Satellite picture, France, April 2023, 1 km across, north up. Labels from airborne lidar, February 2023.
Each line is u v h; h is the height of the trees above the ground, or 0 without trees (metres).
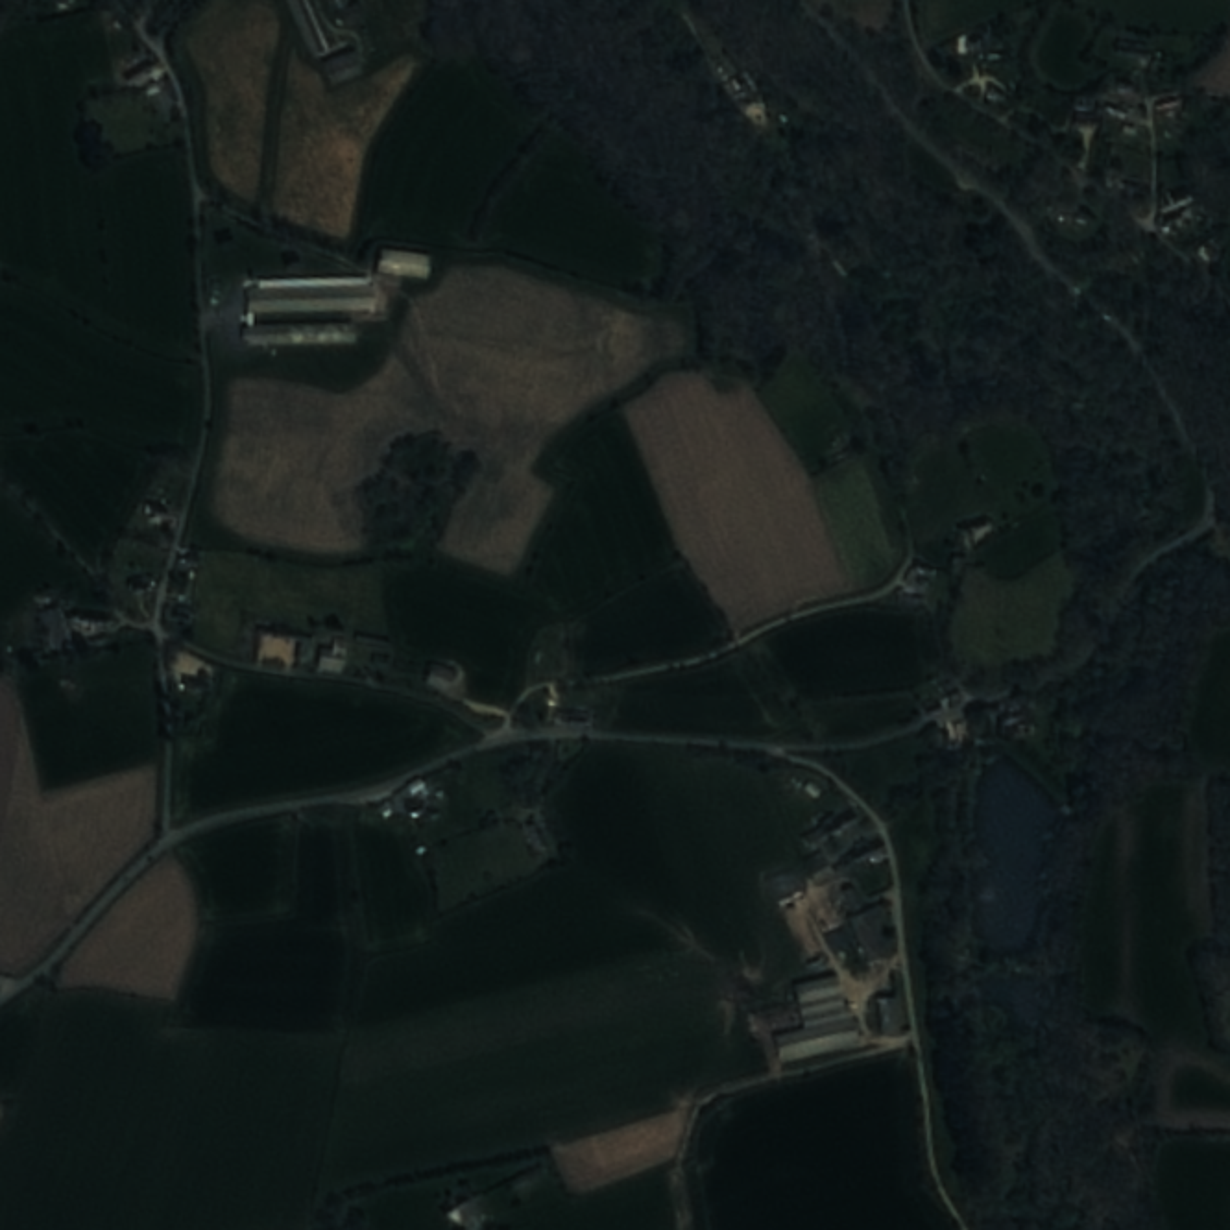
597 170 14
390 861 0
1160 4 0
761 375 9
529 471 0
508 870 0
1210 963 15
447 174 0
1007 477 0
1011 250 21
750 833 0
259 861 0
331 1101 0
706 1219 0
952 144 12
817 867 0
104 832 0
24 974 0
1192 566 19
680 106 20
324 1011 0
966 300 7
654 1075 0
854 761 0
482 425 0
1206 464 21
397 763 0
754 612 0
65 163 0
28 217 0
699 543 0
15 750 0
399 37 0
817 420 0
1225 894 12
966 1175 12
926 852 0
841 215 22
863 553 0
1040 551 0
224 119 0
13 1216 0
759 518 0
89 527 0
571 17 29
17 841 0
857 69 16
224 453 0
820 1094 0
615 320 0
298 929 0
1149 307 17
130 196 0
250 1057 0
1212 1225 0
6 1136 0
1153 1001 0
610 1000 0
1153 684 21
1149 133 0
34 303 0
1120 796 16
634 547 0
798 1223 0
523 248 0
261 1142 0
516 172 8
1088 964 0
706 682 0
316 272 0
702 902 0
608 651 0
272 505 0
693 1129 0
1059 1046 16
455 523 0
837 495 0
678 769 0
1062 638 10
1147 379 15
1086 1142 17
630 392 0
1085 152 6
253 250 0
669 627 0
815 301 24
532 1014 0
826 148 24
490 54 17
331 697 0
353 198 0
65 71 0
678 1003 0
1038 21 10
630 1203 0
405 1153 0
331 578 0
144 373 0
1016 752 0
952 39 0
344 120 0
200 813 0
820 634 0
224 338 0
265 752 0
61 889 0
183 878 0
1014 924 0
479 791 0
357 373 0
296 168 0
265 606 0
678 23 11
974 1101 21
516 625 0
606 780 0
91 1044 0
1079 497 23
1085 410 18
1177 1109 0
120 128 0
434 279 0
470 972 0
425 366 0
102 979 0
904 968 0
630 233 0
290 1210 0
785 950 0
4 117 0
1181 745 14
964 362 22
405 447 8
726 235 25
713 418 0
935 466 0
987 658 0
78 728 0
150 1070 0
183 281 0
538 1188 0
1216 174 14
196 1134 0
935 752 5
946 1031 23
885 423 17
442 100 0
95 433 0
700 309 17
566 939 0
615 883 0
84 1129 0
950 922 19
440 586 0
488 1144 0
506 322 0
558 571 0
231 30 0
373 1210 0
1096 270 7
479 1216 0
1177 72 7
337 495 0
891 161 23
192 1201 0
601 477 0
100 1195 0
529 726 12
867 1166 0
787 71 21
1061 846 16
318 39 0
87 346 0
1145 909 0
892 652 0
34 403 0
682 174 26
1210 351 16
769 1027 0
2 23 8
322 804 0
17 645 0
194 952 0
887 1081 0
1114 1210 15
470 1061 0
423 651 0
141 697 0
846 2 0
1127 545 18
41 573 0
